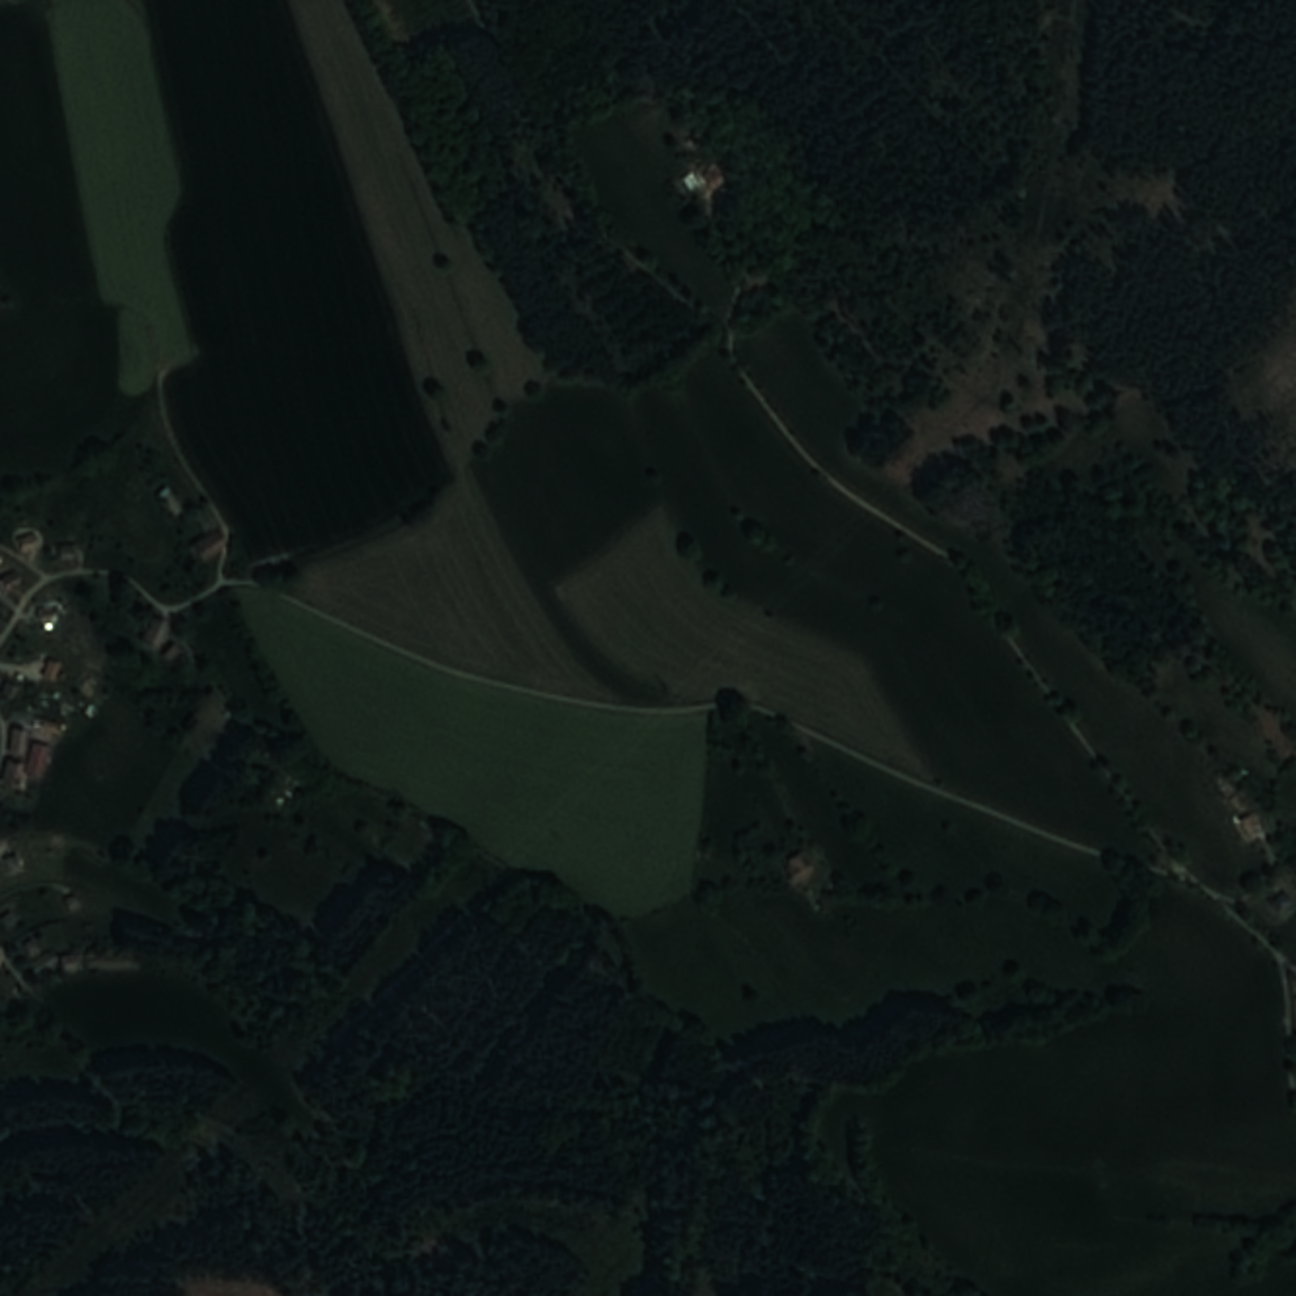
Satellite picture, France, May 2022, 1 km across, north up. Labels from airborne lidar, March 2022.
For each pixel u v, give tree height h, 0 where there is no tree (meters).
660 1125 19
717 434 0
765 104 27
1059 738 0
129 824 0
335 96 0
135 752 0
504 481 0
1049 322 21
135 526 0
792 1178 24
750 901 0
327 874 0
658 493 0
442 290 0
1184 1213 0
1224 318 24
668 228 0
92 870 0
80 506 0
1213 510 11
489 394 0
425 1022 33
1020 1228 0
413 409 0
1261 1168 0
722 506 0
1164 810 0
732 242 15
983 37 14
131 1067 22
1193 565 0
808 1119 19
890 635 0
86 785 0
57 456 0
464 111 21
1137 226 22
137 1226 0
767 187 26
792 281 18
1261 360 0
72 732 0
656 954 0
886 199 11
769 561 0
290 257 0
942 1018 31
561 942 32
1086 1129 0
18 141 0
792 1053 31
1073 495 17
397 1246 7
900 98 22
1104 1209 0
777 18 21
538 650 0
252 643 12
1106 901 0
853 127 25
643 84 19
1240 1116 0
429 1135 13
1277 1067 0
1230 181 24
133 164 0
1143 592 20
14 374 0
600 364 23
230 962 19
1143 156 21
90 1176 27
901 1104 0
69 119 0
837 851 0
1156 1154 0
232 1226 28
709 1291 0
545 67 14
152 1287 24
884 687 0
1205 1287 0
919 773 0
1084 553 16
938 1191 0
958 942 0
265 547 0
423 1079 18
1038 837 0
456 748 0
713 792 0
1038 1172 0
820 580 0
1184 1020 0
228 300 0
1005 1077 0
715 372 0
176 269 0
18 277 0
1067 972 0
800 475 0
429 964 24
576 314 29
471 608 0
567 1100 24
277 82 0
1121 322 24
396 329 0
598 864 0
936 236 19
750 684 0
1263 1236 11
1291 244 26
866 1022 0
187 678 18
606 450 0
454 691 0
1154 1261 0
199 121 0
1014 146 20
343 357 0
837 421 0
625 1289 0
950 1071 0
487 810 0
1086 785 0
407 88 22
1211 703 0
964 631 0
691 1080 20
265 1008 22
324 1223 19
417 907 0
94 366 0
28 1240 30
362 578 0
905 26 17
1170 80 24
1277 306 23
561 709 0
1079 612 26
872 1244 21
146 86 0
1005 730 0
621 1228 0
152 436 0
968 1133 0
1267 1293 0
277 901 0
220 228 0
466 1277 30
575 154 11
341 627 0
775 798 0
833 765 0
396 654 0
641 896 0
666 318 11
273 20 0
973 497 27
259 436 0
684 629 0
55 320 0
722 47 25
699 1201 30
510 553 0
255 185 0
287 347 0
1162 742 0
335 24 0
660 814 0
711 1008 0
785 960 0
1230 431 29
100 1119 27
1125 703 0
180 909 0
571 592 0
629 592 0
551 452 0
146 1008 0
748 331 13
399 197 0
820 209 23
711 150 7
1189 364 23
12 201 0
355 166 0
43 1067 0
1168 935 0
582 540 0
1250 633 0
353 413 0
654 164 0
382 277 0
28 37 0
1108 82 12
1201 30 7
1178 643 26
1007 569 0
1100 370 23
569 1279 26
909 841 0
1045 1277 0
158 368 0
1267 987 0
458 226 11
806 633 0
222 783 28
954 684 0
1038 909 12
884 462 17
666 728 0
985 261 0
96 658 0
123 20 0
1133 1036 0
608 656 0
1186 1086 0
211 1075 25
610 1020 30
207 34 0
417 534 0
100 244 0
